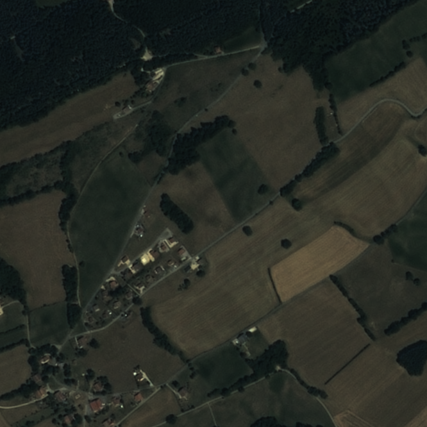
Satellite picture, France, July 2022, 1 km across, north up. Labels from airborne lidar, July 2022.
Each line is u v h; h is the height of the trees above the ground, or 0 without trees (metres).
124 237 0
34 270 0
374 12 30
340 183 0
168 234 0
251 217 0
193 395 0
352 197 0
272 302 0
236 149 0
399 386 0
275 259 0
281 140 0
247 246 0
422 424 0
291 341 0
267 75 0
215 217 0
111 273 0
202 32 20
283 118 0
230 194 0
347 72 0
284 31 26
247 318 0
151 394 0
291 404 0
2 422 0
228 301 0
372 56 0
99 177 0
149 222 0
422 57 0
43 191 11
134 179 0
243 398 0
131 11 16
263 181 0
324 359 0
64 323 0
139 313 0
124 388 0
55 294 0
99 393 13
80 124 0
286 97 0
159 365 0
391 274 0
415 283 10
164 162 0
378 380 0
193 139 19
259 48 0
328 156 16
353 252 0
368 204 0
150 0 14
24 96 21
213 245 0
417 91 0
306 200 0
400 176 0
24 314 13
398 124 0
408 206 0
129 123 0
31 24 24
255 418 0
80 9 21
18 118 18
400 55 0
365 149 0
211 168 0
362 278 0
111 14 21
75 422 18
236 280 0
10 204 19
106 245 0
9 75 19
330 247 0
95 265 0
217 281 0
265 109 0
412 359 23
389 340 0
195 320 0
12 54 19
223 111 0
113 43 19
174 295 0
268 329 0
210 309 0
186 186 0
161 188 0
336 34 10
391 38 0
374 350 0
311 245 0
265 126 0
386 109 0
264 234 0
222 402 0
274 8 27
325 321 0
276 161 0
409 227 0
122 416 0
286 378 0
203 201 0
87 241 0
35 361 25
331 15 9
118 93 0
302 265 0
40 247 0
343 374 0
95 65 22
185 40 16
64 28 18
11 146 0
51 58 17
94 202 0
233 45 0
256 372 17
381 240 20
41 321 0
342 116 0
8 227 0
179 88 0
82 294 0
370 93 0
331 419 0
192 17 20
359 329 0
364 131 0
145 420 0
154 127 12
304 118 0
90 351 0
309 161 0
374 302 0
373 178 0
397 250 0
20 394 21
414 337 0
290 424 0
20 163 6
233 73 0
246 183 0
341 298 0
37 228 0
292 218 0
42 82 23
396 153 0
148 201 0
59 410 7
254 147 0
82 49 21
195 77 0
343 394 0
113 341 0
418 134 0
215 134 16
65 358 7
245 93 0
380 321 0
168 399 0
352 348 0
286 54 15
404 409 0
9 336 0
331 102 13
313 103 0
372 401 0
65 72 22
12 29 18
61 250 0
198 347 0
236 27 15
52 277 0
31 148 0
